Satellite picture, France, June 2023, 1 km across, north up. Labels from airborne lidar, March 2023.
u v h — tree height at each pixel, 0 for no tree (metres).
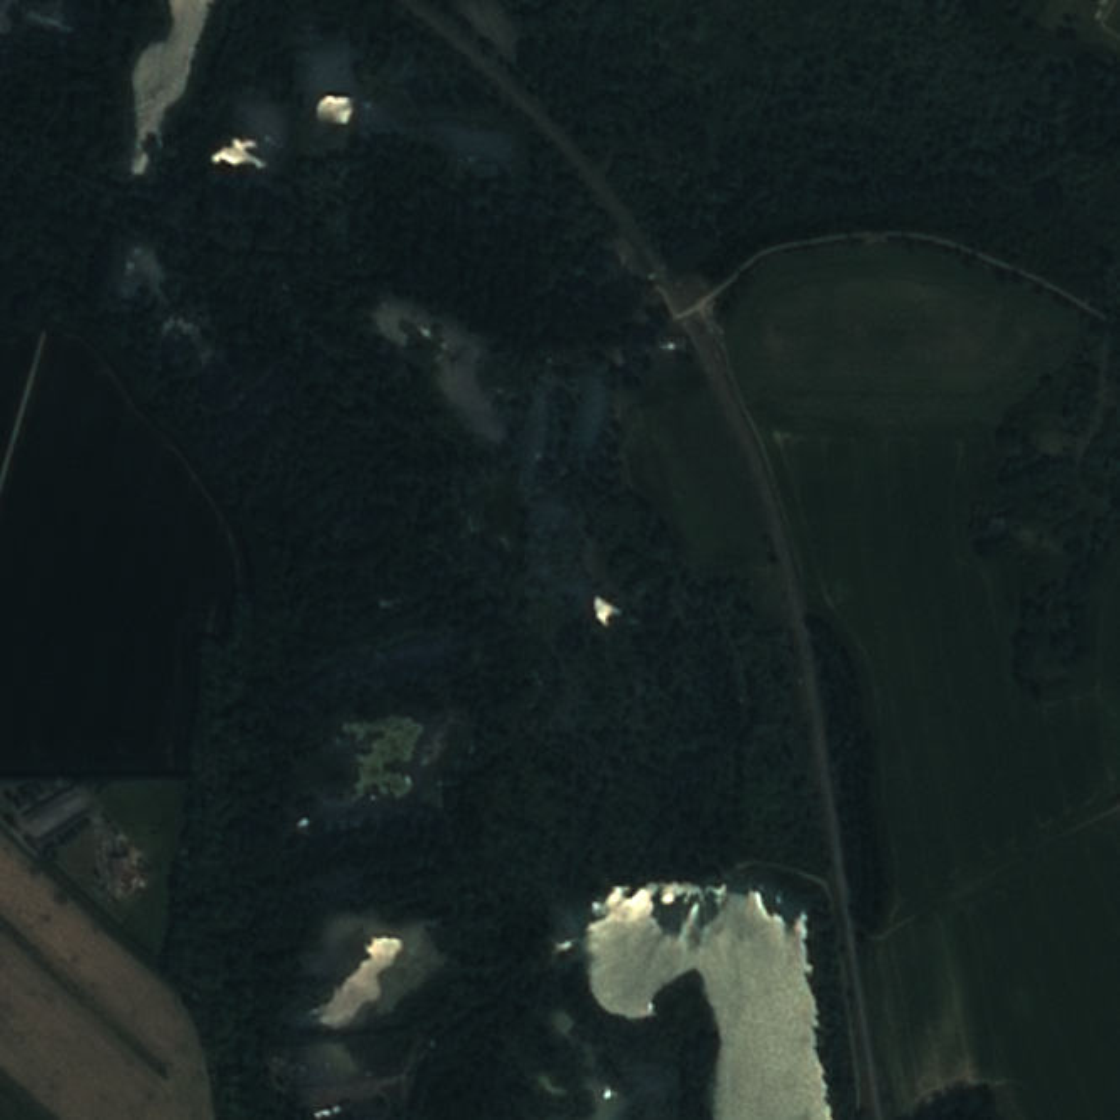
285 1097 8
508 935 13
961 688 0
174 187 29
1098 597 0
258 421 24
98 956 0
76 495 0
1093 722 0
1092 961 0
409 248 16
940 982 0
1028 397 0
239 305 16
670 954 0
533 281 24
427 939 0
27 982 0
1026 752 0
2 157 15
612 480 17
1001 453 0
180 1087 0
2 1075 0
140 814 0
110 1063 0
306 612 20
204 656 21
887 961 0
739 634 18
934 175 16
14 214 22
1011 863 0
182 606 0
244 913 15
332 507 15
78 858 0
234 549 0
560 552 6
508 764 7
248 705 26
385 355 19
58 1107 0
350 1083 0
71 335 0
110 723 0
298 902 12
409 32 19
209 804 19
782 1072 0
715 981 0
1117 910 0
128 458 0
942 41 6
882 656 0
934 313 0
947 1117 28
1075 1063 0
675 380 0
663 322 14
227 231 32
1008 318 0
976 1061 0
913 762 0
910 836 0
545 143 15
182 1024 0
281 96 16
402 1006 0
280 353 15
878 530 0
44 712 0
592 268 27
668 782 23
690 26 16
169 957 13
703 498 0
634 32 16
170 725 0
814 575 0
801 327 0
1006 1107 0
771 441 0
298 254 30
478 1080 6
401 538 22
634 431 0
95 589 0
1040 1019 0
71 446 0
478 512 30
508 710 28
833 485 0
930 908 0
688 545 0
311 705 29
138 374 27
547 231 20
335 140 0
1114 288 9
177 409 26
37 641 0
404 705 12
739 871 0
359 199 17
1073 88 10
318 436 16
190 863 9
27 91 18
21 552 0
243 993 24
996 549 14
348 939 0
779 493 0
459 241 22
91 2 30
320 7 16
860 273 0
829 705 8
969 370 0
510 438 11
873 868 21
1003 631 0
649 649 6
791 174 7
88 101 22
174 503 0
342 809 0
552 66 13
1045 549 0
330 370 20
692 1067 12
